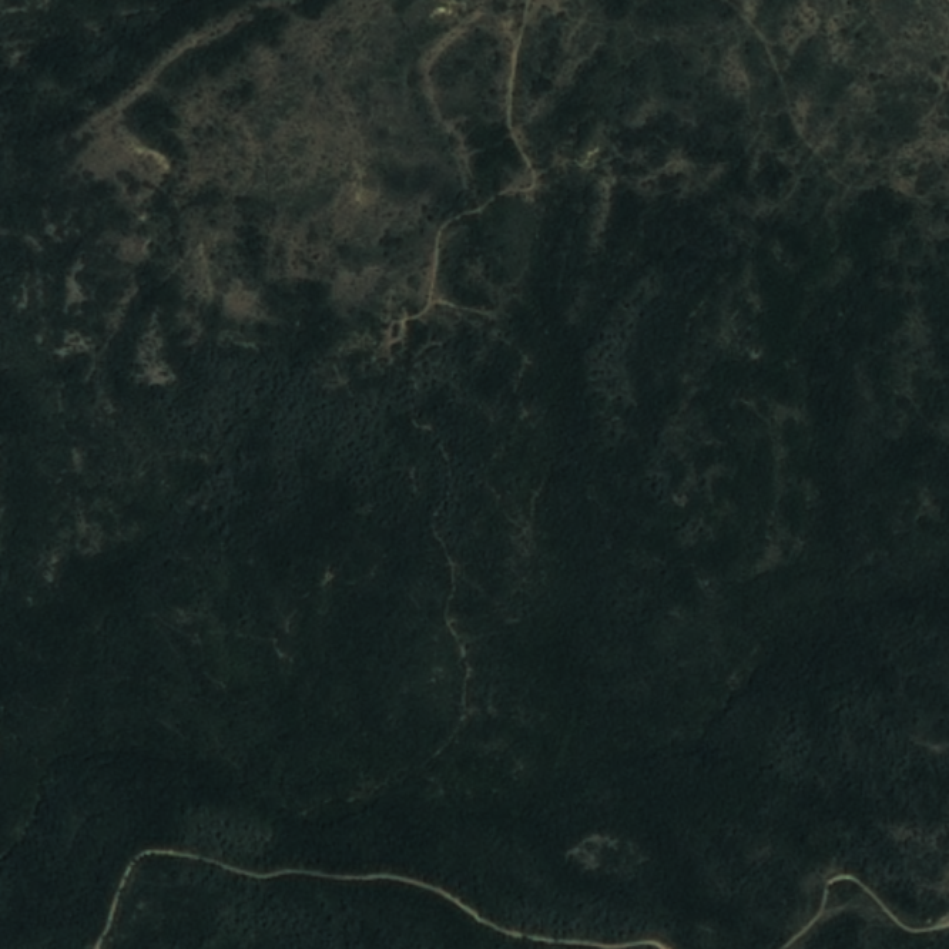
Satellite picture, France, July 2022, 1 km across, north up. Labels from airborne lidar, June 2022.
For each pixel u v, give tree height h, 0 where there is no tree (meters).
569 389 9
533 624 7
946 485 7
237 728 7
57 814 8
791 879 6
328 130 0
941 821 7
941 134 0
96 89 8
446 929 6
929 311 7
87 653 8
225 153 0
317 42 0
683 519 7
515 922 9
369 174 0
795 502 10
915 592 8
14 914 7
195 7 8
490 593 6
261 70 0
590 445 7
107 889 7
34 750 8
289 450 7
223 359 9
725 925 7
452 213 8
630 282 9
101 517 6
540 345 7
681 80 0
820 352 9
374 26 0
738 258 6
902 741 10
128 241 0
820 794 6
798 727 9
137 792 8
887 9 0
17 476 6
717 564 9
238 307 0
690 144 6
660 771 5
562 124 6
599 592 5
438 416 9
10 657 8
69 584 7
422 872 7
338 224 0
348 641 7
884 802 10
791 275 7
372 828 8
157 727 8
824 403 8
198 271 0
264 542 7
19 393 7
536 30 0
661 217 6
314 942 7
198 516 7
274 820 9
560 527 7
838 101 0
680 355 8
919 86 0
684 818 6
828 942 9
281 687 6
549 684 7
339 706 6
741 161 6
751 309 7
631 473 6
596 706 7
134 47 6
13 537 6
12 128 7
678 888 5
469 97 0
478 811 8
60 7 8
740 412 6
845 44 0
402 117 0
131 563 7
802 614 8
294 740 8
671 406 8
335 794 11
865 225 7
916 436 6
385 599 6
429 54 0
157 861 6
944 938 9
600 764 8
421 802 7
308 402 12
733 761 9
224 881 7
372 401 10
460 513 11
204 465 6
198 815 9
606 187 0
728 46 0
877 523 6
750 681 7
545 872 7
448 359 9
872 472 7
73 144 6
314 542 7
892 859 9
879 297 7
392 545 6
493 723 6
